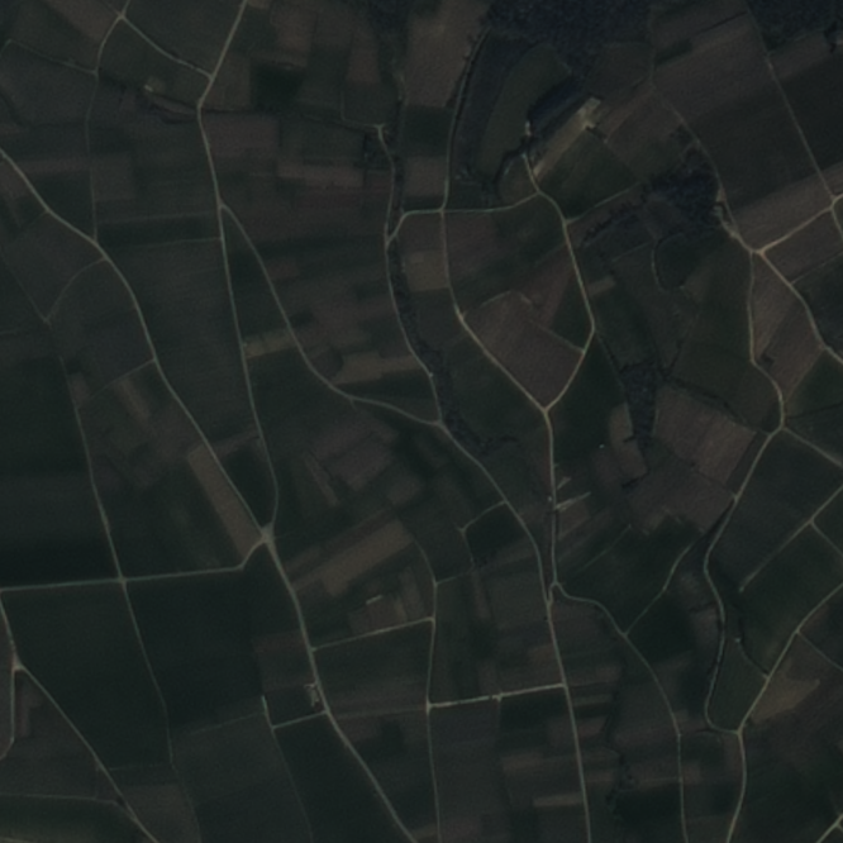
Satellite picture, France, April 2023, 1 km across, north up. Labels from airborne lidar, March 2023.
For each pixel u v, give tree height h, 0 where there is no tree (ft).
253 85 0
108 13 0
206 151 0
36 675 0
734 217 0
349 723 0
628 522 0
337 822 0
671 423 0
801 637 0
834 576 0
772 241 0
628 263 0
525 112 0
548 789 0
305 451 0
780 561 0
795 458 0
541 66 0
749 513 0
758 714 0
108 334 0
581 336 0
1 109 0
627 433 0
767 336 0
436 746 0
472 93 0
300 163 0
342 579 0
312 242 0
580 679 0
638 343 0
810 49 0
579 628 0
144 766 0
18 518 0
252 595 0
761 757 0
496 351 0
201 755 0
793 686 0
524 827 0
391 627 0
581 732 0
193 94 0
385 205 0
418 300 0
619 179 0
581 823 0
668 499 0
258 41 0
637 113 0
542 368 0
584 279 0
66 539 0
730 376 0
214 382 0
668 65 0
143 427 0
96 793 0
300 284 0
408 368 0
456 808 0
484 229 0
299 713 0
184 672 0
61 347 0
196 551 0
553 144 0
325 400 0
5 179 0
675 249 0
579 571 0
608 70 0
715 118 0
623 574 0
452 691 0
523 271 0
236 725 0
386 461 0
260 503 0
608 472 0
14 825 0
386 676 0
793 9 78
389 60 0
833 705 0
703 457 0
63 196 0
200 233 0
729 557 0
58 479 0
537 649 0
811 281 0
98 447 0
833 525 0
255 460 0
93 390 0
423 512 0
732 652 0
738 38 0
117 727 0
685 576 0
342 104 0
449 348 0
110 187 0
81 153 0
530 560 0
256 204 0
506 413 0
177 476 0
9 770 0
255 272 0
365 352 0
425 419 0
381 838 0
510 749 0
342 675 0
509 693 0
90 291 0
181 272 0
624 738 0
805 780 0
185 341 0
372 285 0
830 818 0
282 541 0
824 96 0
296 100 0
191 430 0
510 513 0
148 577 0
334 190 0
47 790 0
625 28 63
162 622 0
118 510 0
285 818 0
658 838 0
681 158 0
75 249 0
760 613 0
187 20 0
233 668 0
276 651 0
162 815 0
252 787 0
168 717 0
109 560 0
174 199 0
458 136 0
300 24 0
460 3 0
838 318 0
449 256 0
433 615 0
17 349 0
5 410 0
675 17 0
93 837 0
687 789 0
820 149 0
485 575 0
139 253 0
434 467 0
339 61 0
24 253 0
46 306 0
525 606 0
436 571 0
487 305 0
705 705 0
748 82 0
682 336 0
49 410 0
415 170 0
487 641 0
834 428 0
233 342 0
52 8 0
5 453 0
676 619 0
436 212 0
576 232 0
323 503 0
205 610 0
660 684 0
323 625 0
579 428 0
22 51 0
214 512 0
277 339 0
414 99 0
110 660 0
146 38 0
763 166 0
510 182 0
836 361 0
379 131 0
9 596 0
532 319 0
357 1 0
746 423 0
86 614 0
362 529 0
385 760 0
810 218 0
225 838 0
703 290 0
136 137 0
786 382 0
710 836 0
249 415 0
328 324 0
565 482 0
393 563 0
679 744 0
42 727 0
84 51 0
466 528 0
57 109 0
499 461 0
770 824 0
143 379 0
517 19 59
